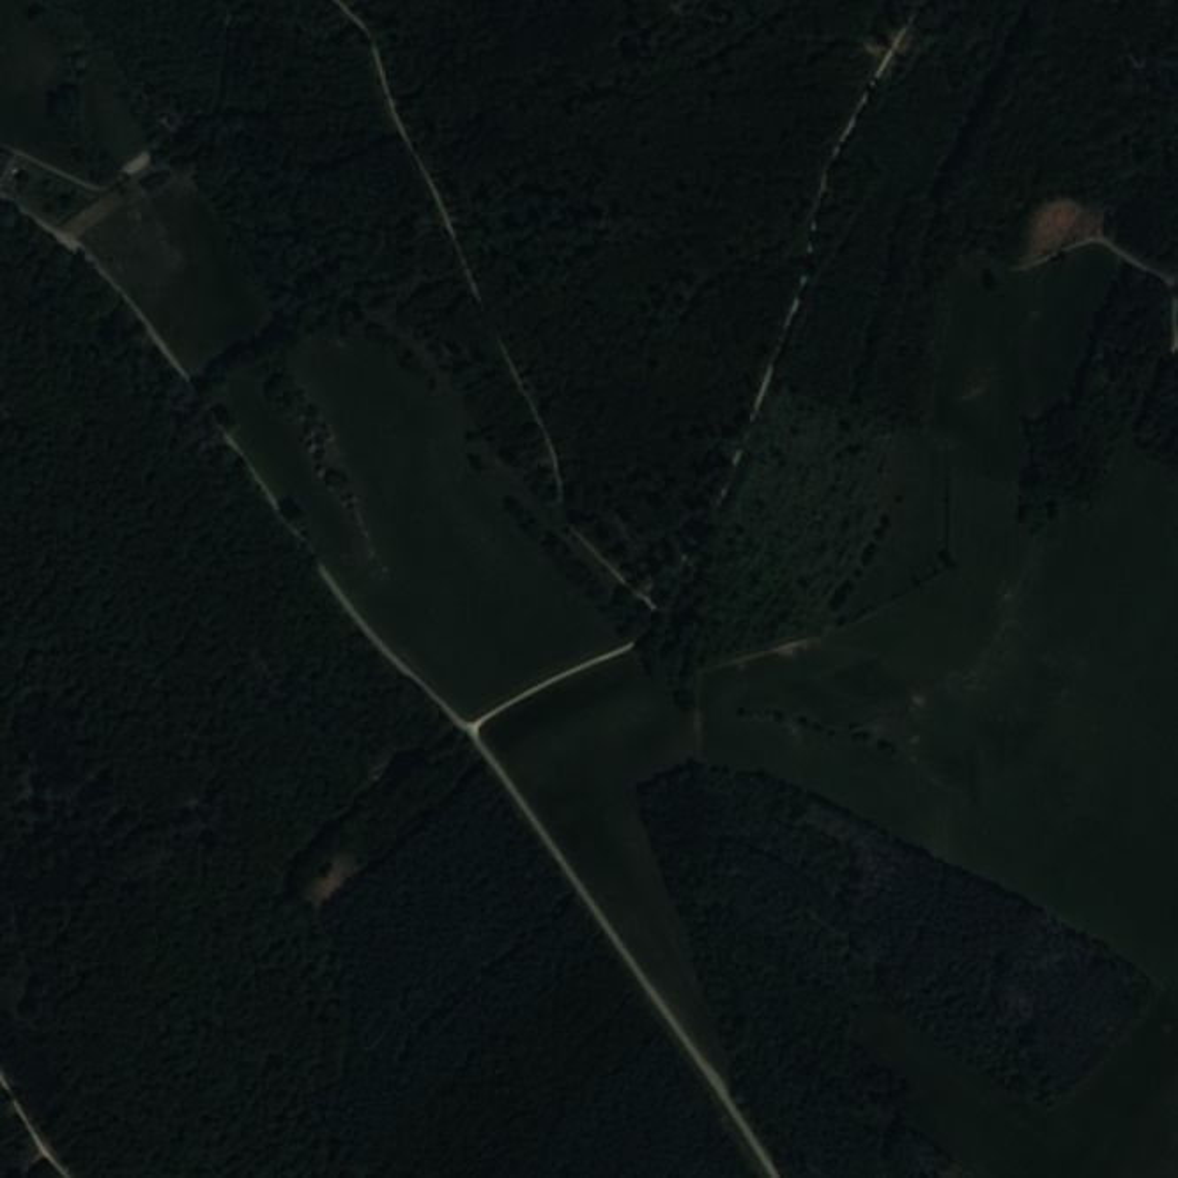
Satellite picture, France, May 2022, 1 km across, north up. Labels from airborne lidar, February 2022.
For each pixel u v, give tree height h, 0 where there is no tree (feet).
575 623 0
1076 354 0
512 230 106
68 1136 54
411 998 48
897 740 0
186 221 0
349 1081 47
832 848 44
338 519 0
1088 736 0
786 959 32
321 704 83
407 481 0
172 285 0
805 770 0
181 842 78
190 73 23
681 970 0
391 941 49
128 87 42
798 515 24
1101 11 82
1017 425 0
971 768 0
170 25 23
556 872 36
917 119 20
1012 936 79
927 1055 0
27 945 40
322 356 0
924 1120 0
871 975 21
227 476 86
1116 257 0
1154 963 0
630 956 0
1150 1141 0
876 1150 37
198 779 57
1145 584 0
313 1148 67
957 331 0
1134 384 29
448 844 53
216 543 73
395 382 0
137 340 49
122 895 69
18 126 0
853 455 36
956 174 88
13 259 80
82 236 0
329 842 73
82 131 62
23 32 0
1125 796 0
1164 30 105
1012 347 0
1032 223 81
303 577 81
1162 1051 0
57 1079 46
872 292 26
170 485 83
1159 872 0
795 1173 55
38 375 86
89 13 35
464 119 31
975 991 31
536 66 55
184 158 47
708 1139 48
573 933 48
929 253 65
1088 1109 0
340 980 32
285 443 0
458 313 40
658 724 0
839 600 45
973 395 0
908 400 22
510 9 60
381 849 42
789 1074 26
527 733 0
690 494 34
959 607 0
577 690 0
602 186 66
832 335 20
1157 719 0
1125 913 0
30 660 61
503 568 0
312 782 62
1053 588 0
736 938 37
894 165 21
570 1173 50
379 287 77
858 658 0
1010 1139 0
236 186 59
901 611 0
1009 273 0
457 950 45
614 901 0
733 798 37
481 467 64
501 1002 57
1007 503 0
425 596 0
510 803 26
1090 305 0
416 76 35
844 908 78
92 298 90
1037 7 96
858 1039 0
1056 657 0
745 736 0
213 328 0
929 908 84
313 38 26
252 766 73
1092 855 0
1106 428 22
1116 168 95
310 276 66
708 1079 0
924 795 0
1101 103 88
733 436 99
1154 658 0
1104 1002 79
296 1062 69
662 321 45
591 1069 42
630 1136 52
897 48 0
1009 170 84
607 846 0
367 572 0
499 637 0
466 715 0
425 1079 36
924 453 0
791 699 0
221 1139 68
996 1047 26
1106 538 0
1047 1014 84
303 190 60
